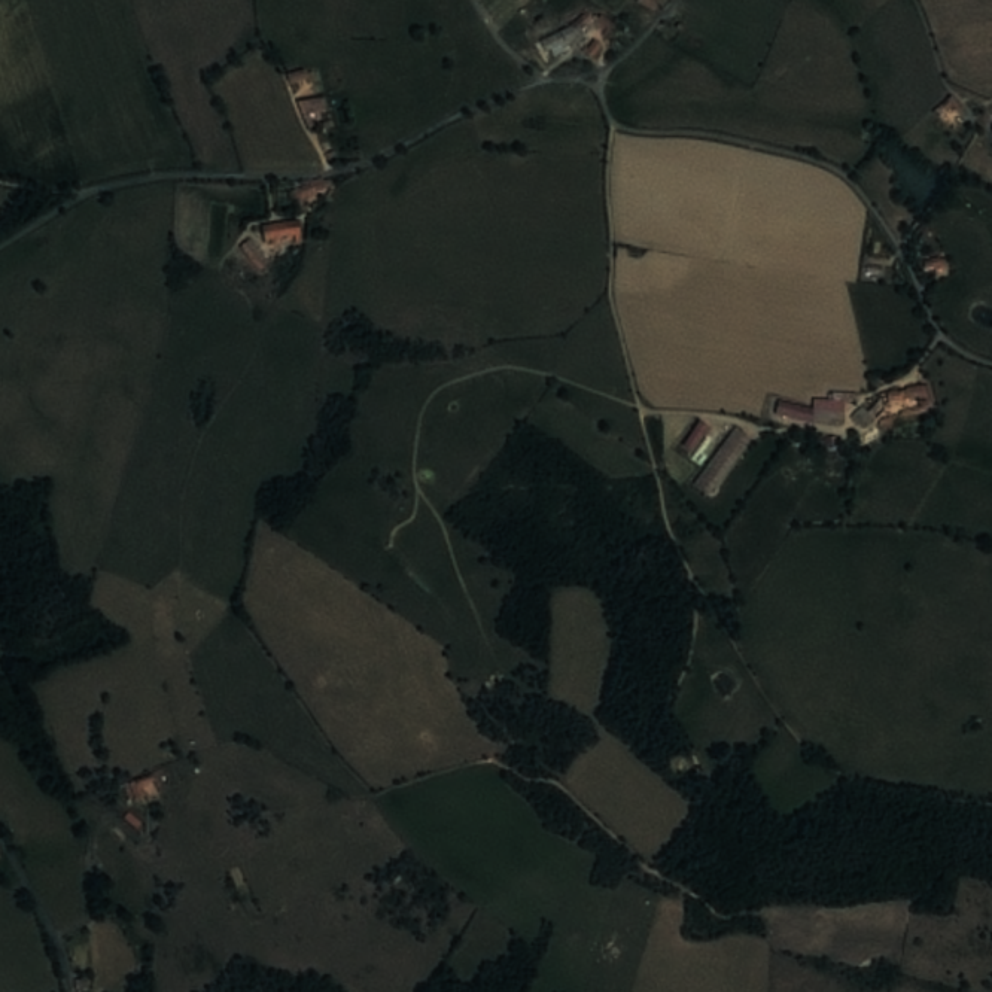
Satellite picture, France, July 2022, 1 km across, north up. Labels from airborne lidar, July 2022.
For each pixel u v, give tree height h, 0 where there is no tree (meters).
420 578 0
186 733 0
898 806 13
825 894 8
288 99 0
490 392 0
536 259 0
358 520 0
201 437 0
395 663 0
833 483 0
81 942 0
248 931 0
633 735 17
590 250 0
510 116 0
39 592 10
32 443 0
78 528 0
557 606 0
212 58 0
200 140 0
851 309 0
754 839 14
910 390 0
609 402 0
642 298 0
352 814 0
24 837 0
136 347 0
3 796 0
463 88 0
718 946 0
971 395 0
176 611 0
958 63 0
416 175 0
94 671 0
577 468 7
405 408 0
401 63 0
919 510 0
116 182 0
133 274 0
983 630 0
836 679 0
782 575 0
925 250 9
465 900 11
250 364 0
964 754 0
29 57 0
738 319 0
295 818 0
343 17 0
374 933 0
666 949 0
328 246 0
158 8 0
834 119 0
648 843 0
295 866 0
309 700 0
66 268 0
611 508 5
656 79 0
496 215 0
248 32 0
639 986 0
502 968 11
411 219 0
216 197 0
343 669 0
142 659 0
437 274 0
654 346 0
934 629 0
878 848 15
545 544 9
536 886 0
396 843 0
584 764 0
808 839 18
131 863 0
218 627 0
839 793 13
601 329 0
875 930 0
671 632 17
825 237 0
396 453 0
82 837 16
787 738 0
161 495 0
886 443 9
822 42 0
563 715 13
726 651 0
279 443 0
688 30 0
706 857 28
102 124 0
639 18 0
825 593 0
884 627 0
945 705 0
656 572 14
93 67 0
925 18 0
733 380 0
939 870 9
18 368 0
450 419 0
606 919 0
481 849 0
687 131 0
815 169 0
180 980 0
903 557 0
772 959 0
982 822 10
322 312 0
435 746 0
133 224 0
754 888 16
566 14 0
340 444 16
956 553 0
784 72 0
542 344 0
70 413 0
